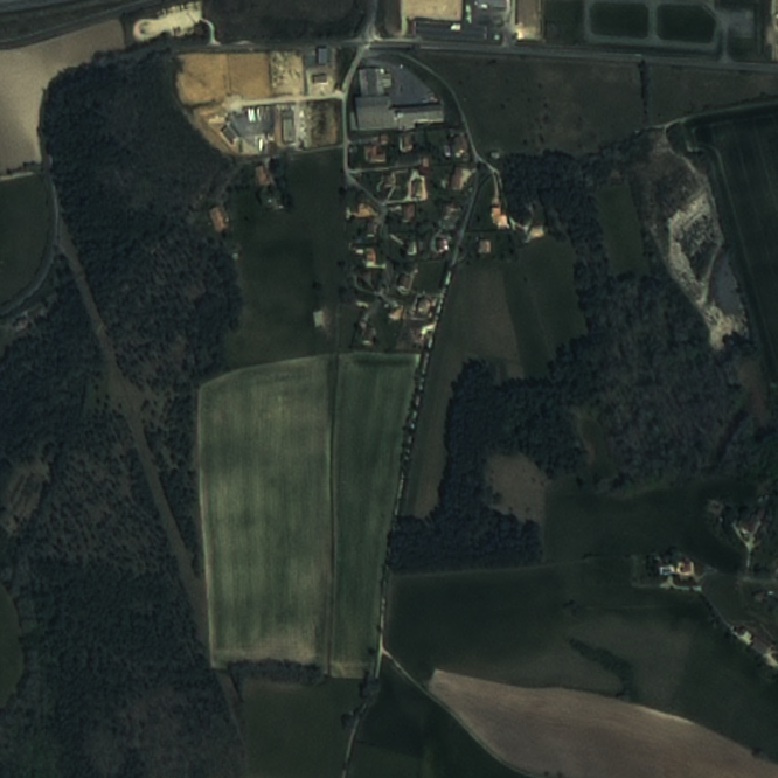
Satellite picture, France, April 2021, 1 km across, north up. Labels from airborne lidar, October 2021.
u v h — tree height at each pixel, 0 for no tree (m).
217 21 0
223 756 17
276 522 0
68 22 0
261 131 0
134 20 0
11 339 0
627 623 0
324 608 0
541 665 0
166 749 17
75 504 18
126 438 6
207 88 0
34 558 15
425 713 0
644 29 0
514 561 15
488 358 0
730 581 0
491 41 0
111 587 20
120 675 18
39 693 20
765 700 0
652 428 17
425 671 0
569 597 0
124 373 12
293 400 0
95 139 19
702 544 0
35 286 0
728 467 19
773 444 18
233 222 10
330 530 0
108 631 18
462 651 0
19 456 19
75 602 21
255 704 0
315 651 0
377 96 0
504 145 0
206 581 0
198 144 16
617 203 0
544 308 0
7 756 23
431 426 0
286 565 0
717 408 19
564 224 15
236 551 0
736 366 18
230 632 0
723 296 0
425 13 0
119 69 20
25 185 0
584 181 7
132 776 19
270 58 0
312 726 0
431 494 0
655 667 0
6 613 0
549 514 0
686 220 0
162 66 13
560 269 0
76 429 14
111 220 22
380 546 0
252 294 0
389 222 12
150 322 11
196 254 20
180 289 16
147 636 19
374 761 0
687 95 0
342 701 0
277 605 0
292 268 0
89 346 9
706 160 9
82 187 21
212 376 17
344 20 0
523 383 0
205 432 0
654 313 9
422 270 0
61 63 0
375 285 6
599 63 0
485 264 0
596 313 23
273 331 0
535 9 0
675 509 0
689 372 9
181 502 8
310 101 0
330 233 0
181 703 13
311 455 0
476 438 19
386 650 0
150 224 24
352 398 0
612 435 8
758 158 0
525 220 13
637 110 0
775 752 0
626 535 0
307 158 0
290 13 0
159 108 13
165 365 18
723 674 0
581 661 0
